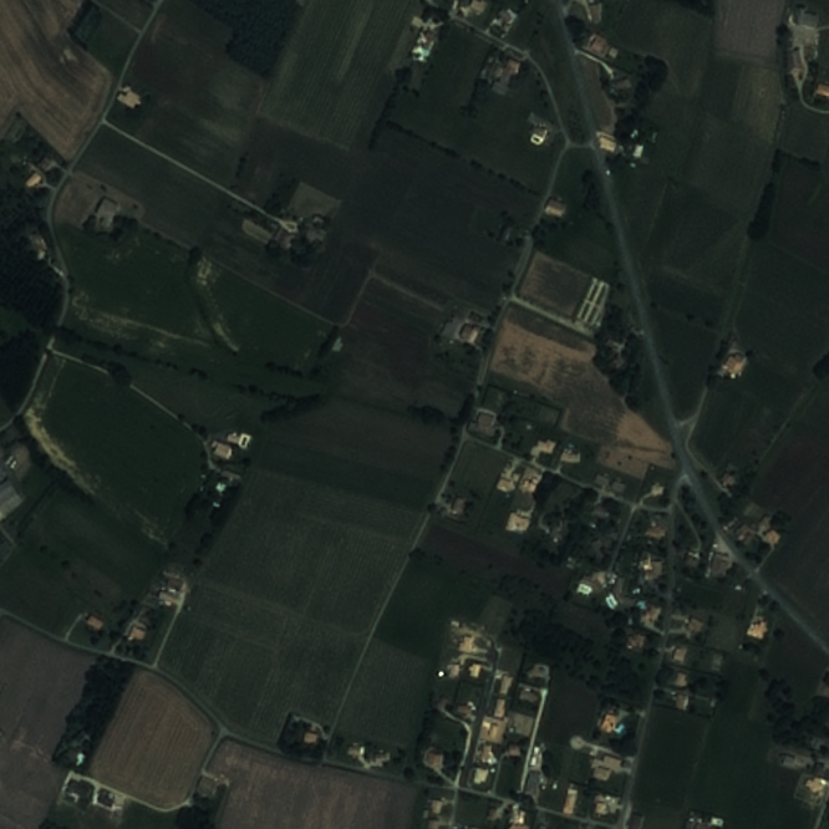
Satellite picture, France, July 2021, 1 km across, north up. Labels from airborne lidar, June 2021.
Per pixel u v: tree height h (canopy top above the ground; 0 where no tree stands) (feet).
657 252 0
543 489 56
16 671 0
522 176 0
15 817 0
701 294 0
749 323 0
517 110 0
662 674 29
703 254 0
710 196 0
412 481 0
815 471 0
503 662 0
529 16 0
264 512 0
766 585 0
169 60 0
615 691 29
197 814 36
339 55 0
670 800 0
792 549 0
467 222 0
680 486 0
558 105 0
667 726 0
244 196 0
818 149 0
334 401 0
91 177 0
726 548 0
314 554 0
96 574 0
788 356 0
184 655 0
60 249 0
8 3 0
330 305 0
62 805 0
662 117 0
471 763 0
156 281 0
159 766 0
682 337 0
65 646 0
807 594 0
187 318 0
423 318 0
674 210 0
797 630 0
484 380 0
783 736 37
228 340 0
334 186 0
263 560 0
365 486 0
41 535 0
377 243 0
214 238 0
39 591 0
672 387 0
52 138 0
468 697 0
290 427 0
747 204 0
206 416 0
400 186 0
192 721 0
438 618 0
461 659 0
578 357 0
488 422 0
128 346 0
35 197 26
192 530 0
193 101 0
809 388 0
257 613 0
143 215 0
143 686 0
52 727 0
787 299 0
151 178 0
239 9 56
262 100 0
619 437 0
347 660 0
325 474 0
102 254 0
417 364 0
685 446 0
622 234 0
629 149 25
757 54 0
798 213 0
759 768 0
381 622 0
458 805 0
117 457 0
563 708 0
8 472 0
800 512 0
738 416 0
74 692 0
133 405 0
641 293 0
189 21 0
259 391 52
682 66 0
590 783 24
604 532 40
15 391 59
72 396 0
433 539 0
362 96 0
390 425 0
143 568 0
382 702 0
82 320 0
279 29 61
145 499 0
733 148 0
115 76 0
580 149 0
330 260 0
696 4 47
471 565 0
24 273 54
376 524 0
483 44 0
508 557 0
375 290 0
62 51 0
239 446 32
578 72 0
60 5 0
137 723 0
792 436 0
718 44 0
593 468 0
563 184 0
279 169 0
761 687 0
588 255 0
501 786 0
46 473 31
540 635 31
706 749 0
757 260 0
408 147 0
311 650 0
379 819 0
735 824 0
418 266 0
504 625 0
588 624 0
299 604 0
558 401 0
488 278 0
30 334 38
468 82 0
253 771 0
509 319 0
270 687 0
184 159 0
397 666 0
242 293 0
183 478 0
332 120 0
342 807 0
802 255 0
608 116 0
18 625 0
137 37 0
